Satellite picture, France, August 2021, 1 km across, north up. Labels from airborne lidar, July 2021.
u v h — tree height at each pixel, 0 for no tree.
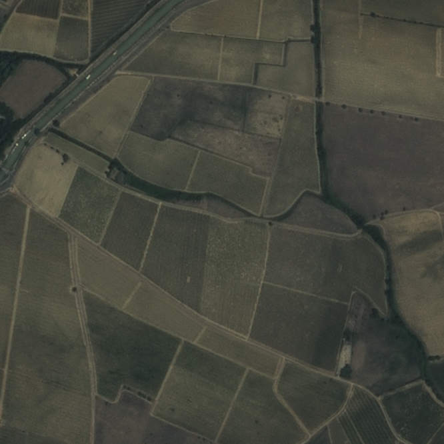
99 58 0
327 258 0
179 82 0
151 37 0
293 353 0
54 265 0
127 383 0
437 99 0
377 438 0
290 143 0
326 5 0
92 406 0
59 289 0
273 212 0
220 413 0
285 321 0
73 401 0
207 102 0
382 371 0
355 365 0
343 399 0
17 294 0
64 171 0
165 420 0
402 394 0
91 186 0
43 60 8
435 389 6
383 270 0
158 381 0
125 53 0
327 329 0
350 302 0
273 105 0
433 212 0
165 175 0
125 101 0
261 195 0
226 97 0
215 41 0
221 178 0
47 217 0
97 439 0
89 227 0
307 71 0
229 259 0
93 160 0
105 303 0
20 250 0
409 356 0
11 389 0
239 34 0
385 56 0
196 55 0
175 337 0
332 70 0
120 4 0
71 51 0
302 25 0
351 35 0
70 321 0
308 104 0
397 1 0
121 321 0
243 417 0
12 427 0
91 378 0
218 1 0
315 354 0
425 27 0
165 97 0
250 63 0
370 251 0
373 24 0
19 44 0
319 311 0
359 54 0
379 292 0
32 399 0
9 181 0
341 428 0
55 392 0
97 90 0
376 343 0
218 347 0
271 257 0
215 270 0
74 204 0
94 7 0
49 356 0
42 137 0
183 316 0
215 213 0
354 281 0
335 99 0
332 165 0
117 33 0
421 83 0
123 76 0
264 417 0
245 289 0
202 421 0
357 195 0
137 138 0
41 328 0
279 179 0
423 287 0
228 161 0
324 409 0
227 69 0
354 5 0
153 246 0
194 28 0
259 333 0
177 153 0
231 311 0
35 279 0
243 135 0
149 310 0
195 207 0
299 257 0
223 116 0
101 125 0
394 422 0
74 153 0
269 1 0
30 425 0
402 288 0
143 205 0
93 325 0
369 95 0
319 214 0
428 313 0
